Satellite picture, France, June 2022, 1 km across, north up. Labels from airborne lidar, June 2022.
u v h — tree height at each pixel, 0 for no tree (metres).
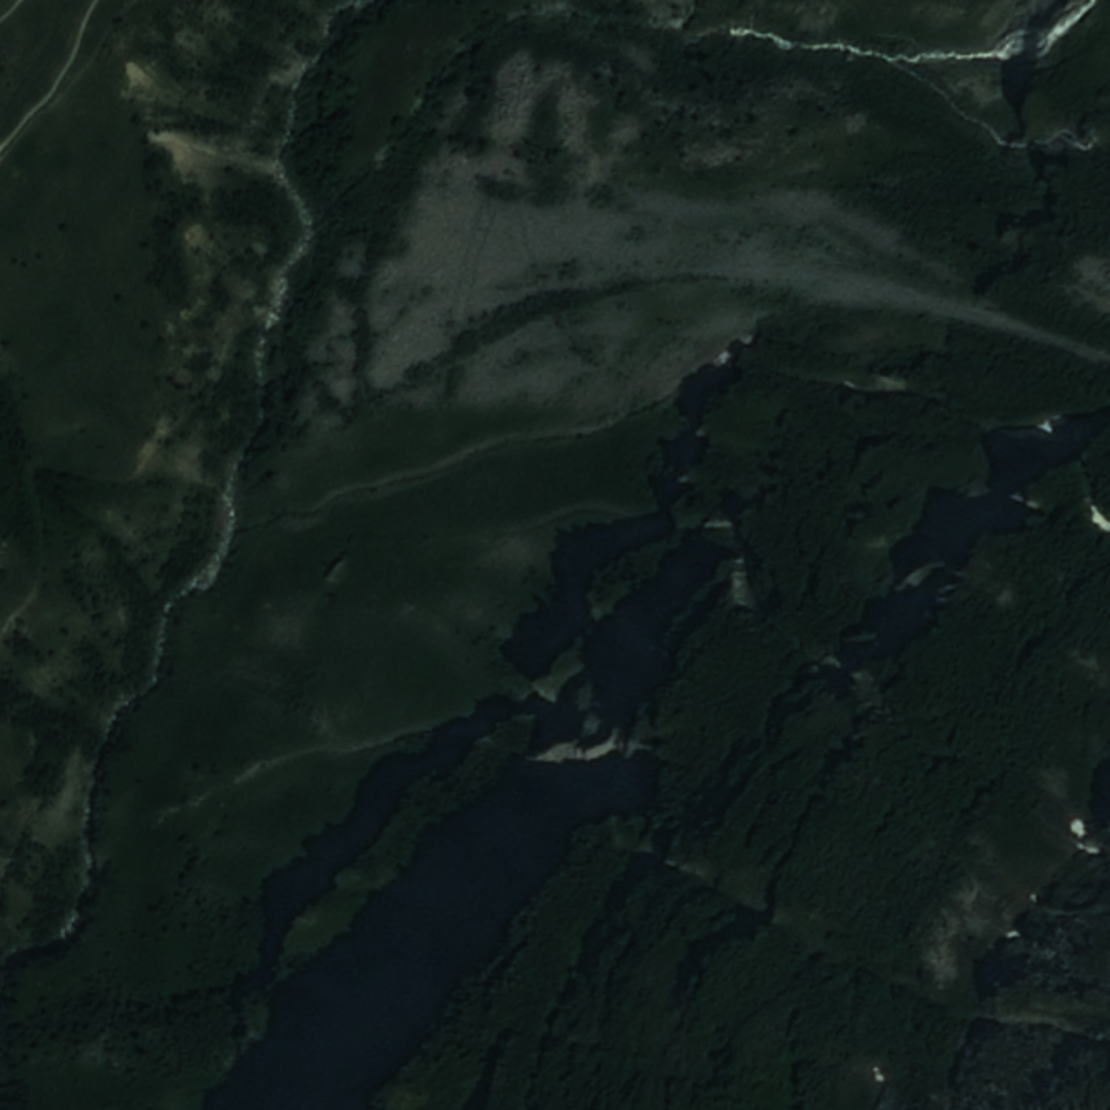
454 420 0
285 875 0
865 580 0
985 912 0
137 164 0
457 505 0
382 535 0
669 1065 0
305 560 0
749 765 6
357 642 0
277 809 0
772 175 0
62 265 0
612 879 6
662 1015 0
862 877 6
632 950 7
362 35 12
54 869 15
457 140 8
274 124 6
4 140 0
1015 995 0
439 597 0
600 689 0
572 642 14
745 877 0
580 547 0
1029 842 0
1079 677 0
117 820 0
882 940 6
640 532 0
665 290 0
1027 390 6
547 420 0
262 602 0
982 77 0
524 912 12
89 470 0
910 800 6
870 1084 0
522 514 0
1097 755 0
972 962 0
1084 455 11
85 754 9
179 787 0
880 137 0
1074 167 5
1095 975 0
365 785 0
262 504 0
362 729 0
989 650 6
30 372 0
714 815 7
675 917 9
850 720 0
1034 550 5
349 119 9
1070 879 0
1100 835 0
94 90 0
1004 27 0
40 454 0
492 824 0
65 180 0
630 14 11
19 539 9
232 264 6
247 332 6
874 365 7
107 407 0
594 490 0
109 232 0
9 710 15
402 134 8
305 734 0
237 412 14
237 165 10
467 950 0
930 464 0
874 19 0
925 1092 0
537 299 6
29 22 0
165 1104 0
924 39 0
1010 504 0
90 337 0
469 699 0
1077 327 5
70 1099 0
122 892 0
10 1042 9
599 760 0
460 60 10
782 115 0
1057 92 0
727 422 0
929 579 0
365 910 0
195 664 0
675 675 15
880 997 6
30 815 6
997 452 0
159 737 0
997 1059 0
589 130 0
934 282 0
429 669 0
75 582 14
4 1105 13
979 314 0
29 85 0
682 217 0
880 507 0
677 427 0
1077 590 12
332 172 13
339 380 0
